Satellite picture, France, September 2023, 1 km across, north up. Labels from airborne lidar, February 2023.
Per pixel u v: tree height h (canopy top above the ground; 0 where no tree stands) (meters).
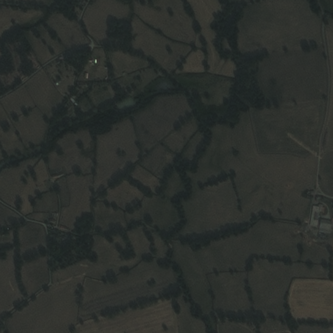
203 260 0
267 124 0
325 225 0
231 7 9
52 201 0
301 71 0
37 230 0
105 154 0
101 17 0
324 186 0
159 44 0
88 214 14
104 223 0
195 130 0
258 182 0
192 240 19
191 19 0
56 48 0
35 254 20
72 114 0
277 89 0
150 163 0
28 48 15
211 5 0
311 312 0
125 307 10
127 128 0
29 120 0
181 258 0
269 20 0
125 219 0
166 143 0
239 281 0
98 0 0
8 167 12
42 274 0
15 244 16
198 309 20
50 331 0
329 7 0
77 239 6
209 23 0
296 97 0
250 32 0
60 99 0
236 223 0
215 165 0
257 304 0
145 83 0
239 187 0
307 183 0
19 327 0
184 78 0
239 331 0
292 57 0
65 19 0
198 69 0
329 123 0
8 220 0
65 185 0
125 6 0
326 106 0
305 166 0
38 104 0
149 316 0
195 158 11
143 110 0
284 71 0
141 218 0
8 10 0
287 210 0
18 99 0
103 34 0
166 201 0
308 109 0
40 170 0
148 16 0
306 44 22
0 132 0
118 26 18
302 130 0
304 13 0
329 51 0
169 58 0
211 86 0
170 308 0
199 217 0
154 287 0
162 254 0
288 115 0
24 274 0
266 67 0
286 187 0
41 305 0
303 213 0
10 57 20
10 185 0
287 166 0
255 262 0
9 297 0
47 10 18
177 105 0
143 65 0
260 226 0
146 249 0
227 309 0
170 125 0
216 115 14
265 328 0
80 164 0
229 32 21
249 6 0
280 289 0
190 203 0
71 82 0
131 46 18
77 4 7
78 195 0
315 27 0
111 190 0
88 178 0
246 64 16
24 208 0
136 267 0
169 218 0
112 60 0
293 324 13
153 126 0
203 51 15
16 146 0
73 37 0
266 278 0
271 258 17
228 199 0
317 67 0
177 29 0
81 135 0
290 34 0
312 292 0
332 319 0
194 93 18
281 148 0
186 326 0
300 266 0
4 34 8
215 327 0
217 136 0
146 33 0
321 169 0
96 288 0
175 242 0
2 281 0
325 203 0
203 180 0
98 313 0
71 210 0
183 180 12
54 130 15
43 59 0
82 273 0
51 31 20
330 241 0
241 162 0
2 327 13
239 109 12
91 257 20
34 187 0
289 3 0
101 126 8
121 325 0
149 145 0
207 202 0
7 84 15
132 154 0
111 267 0
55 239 6
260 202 0
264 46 0
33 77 0
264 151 0
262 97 11
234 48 18
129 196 0
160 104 0
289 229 0
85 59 24
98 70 0
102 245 0
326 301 0
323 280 0
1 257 13
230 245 0
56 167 0
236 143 0
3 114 0
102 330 0
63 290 0
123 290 0
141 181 0
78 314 0
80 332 0
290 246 0
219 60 0
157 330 0
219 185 0
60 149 18
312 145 0
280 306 0
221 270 0
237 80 14
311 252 0
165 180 13
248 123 0
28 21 0
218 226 0
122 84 0
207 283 0
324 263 17
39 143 0
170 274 0
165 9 0
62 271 0
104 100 0
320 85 0
